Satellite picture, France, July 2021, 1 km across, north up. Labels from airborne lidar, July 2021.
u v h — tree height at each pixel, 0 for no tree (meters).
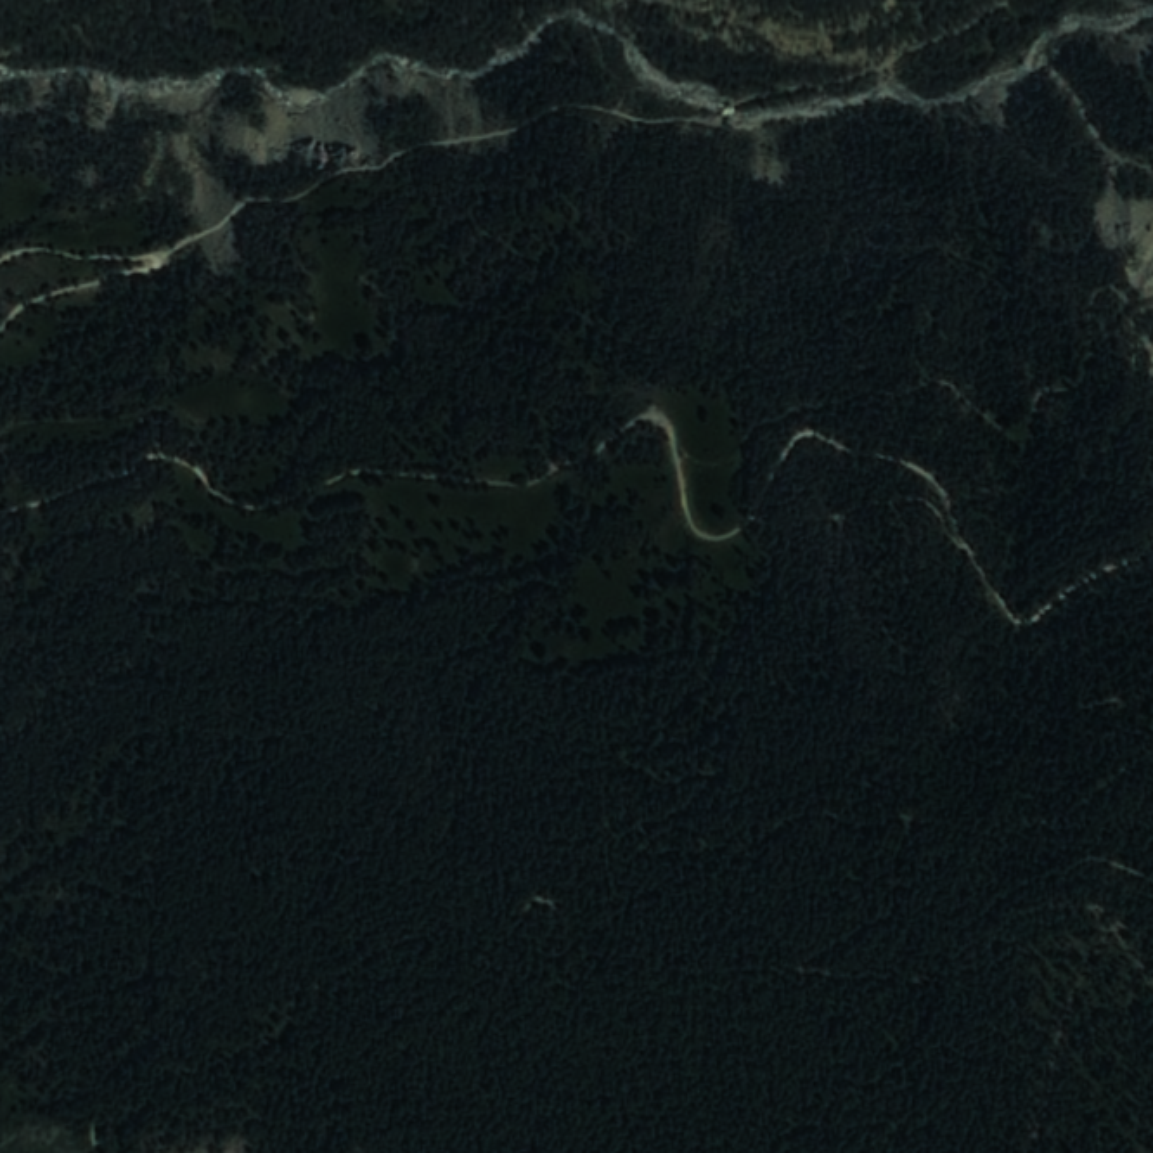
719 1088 15
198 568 18
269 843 18
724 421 0
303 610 17
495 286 16
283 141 0
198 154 0
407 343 22
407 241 12
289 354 19
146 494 14
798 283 11
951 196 19
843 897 20
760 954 18
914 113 10
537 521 0
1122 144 11
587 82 15
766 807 24
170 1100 20
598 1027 15
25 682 15
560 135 10
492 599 20
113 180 9
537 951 9
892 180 16
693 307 11
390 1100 13
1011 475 10
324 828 20
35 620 18
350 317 0
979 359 26
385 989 16
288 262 10
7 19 12
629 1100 20
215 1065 16
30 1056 7
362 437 23
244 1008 18
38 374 13
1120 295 9
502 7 18
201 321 0
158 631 18
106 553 16
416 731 15
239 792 26
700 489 0
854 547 12
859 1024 22
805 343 19
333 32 17
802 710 24
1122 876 13
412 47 15
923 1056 17
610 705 24
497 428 19
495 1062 18
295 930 20
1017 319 29
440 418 19
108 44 18
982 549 18
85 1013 20
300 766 21
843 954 19
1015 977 18
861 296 21
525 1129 18
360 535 20
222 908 20
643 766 13
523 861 16
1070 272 15
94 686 17
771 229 15
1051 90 11
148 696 19
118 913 22
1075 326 16
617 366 14
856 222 10
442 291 0
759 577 21
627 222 14
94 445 9
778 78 13
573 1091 14
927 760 16
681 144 9
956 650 16
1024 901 16
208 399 0
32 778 15
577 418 18
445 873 21
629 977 18
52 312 6
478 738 22
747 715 20
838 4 8
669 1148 18
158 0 16
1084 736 13
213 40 13
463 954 17
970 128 8
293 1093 23
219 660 14
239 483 8
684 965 21
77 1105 20
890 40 10
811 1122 15
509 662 21
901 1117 23
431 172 16
